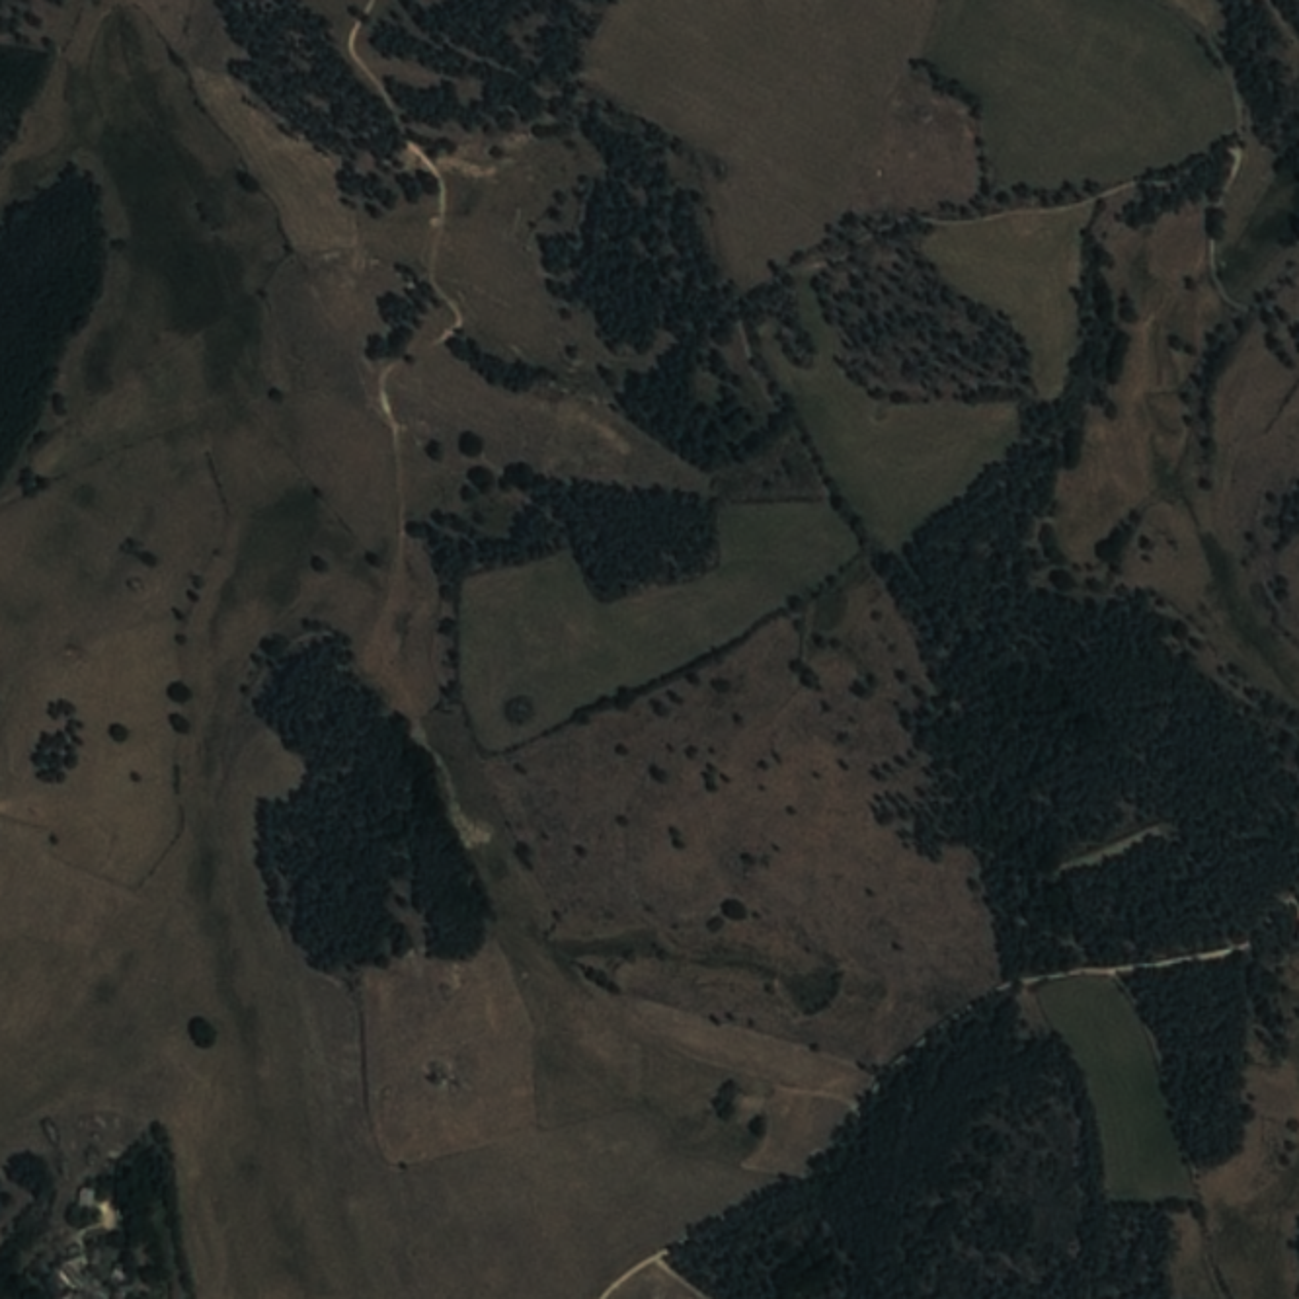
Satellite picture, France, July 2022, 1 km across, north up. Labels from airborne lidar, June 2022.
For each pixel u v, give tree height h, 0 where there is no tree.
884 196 0
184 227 0
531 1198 0
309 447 0
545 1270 0
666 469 0
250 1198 0
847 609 0
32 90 6
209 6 0
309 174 0
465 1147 0
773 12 0
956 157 0
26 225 6
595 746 0
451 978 0
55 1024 0
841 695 0
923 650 12
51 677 0
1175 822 9
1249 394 0
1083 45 0
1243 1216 0
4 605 0
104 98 0
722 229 0
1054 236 0
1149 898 15
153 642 0
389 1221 0
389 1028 0
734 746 0
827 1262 11
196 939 0
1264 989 11
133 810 0
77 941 0
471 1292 0
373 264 0
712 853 0
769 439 19
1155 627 14
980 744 24
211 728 0
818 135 0
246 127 0
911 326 17
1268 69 7
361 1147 0
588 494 19
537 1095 0
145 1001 0
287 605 0
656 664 0
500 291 0
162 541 0
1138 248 0
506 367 14
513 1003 0
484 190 0
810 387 0
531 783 0
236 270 0
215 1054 0
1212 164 14
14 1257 8
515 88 16
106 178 0
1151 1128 0
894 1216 12
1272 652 0
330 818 12
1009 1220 9
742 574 0
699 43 0
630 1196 0
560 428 0
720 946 0
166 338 0
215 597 0
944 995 0
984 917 0
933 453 0
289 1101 0
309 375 0
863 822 0
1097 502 0
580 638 0
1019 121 0
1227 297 0
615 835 0
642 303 21
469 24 18
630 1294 0
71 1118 0
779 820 0
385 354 15
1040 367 0
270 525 0
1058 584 14
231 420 0
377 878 11
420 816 15
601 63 0
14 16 8
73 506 0
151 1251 8
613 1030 0
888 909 0
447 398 0
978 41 0
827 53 0
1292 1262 0
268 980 0
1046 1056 12
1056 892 18
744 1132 0
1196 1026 16
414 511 0
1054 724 25
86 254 8
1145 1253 15
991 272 0
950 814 13
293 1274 0
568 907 0
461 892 18
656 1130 0
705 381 0
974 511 17
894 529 0
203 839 0
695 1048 0
